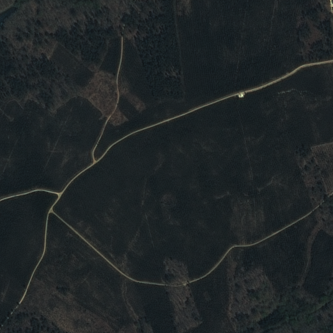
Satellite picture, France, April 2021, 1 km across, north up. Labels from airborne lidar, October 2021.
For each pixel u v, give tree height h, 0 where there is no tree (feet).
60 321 0
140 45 58
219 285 23
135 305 0
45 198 26
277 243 18
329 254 27
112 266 0
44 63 43
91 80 0
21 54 46
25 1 55
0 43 45
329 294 33
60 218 0
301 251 20
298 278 20
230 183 21
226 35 17
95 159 0
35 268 0
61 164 0
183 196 22
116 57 18
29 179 22
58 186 0
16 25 50
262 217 0
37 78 74
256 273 24
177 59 58
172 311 23
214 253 19
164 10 52
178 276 52
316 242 18
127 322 21
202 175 21
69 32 59
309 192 20
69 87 56
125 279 0
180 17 23
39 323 59
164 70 60
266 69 22
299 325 51
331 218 23
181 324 47
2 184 21
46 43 29
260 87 0
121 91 0
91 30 65
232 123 21
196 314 48
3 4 52
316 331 42
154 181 24
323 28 64
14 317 42
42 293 0
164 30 50
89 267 20
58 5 77
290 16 20
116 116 0
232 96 0
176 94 58
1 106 40
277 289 23
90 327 18
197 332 22
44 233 0
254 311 40
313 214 22
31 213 19
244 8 21
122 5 60
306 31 78
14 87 63
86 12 61
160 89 66
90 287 0
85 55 68
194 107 0
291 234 22
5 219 21
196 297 20
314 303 56
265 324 45
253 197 23
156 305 22
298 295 62
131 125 20
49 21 51
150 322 18
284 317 57
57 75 79
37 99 52
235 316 47
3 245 18
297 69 0
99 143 18
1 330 49
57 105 46
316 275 19
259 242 0
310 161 34
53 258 19
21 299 0
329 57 61
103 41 65
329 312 78
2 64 51
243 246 0
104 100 0
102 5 61
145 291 21
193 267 21
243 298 29
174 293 47
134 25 74
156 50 55
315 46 51
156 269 19
